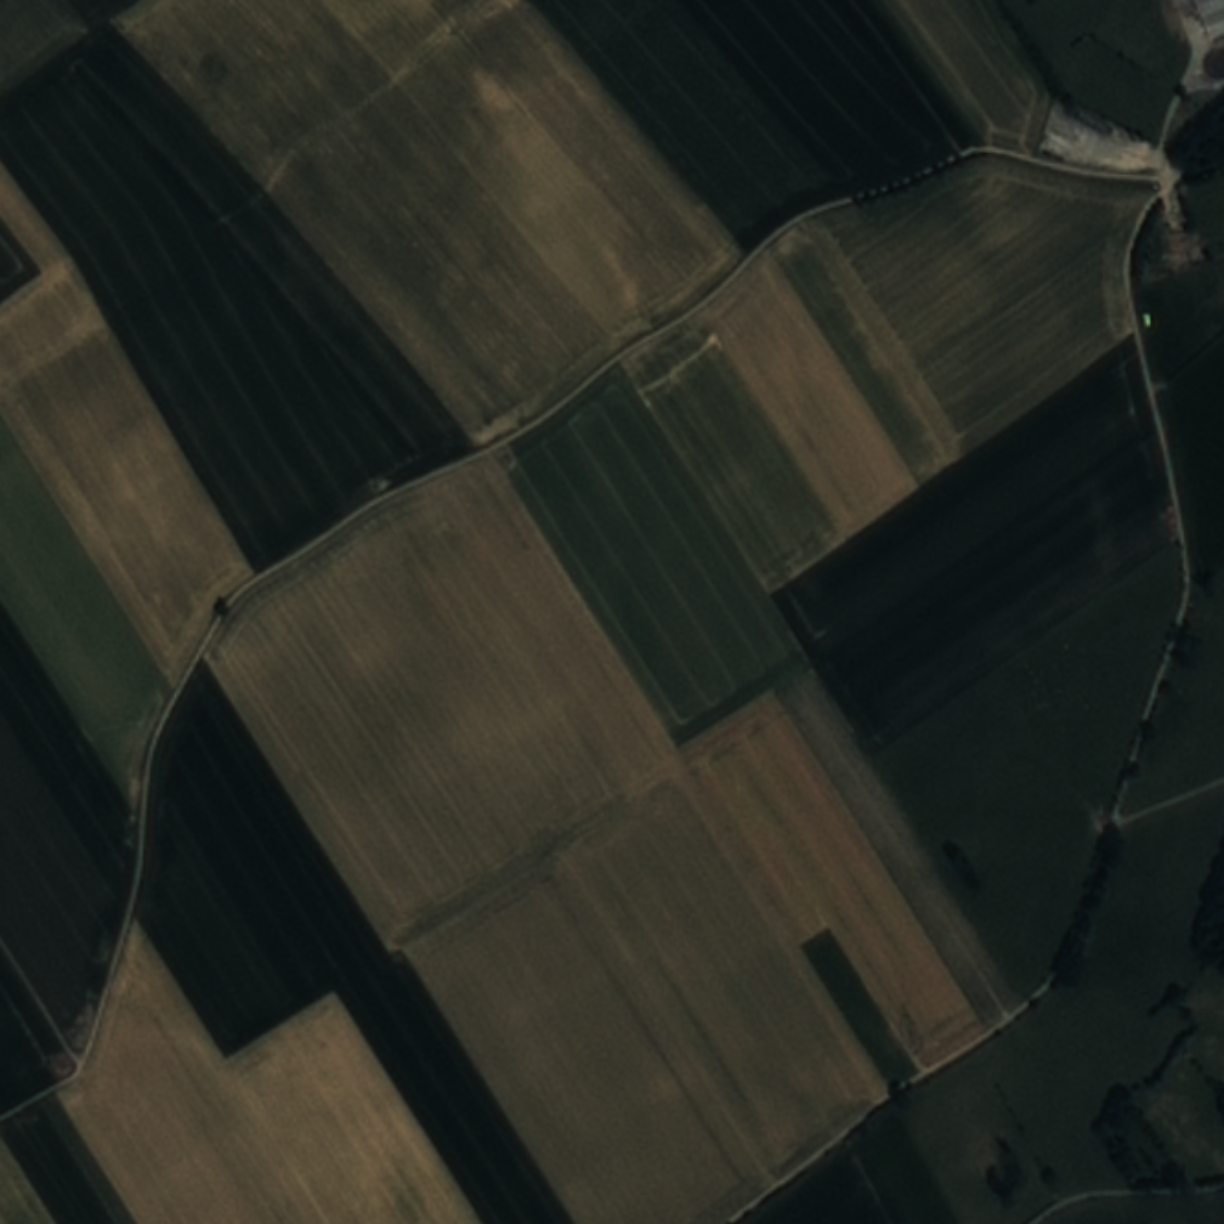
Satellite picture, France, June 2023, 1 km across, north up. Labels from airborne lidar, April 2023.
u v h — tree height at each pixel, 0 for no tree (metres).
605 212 0
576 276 0
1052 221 0
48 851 0
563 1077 0
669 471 0
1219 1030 0
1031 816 0
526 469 0
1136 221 0
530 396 0
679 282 0
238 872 0
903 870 0
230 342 0
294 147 0
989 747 0
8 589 0
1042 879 0
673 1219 0
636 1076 0
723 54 0
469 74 0
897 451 0
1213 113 15
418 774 0
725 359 0
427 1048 0
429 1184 0
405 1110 0
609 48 0
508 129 0
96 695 0
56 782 0
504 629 0
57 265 0
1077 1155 0
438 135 0
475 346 0
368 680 0
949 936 0
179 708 0
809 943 0
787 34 0
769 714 0
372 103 0
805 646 0
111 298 0
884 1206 0
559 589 0
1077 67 0
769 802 0
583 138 0
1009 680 0
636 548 0
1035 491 0
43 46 0
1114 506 0
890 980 0
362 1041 0
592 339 0
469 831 0
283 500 0
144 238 0
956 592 0
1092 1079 0
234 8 0
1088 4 0
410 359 0
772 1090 0
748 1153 0
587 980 0
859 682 0
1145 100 0
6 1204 0
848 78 0
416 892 0
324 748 0
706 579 0
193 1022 0
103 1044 0
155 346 0
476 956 0
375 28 0
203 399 0
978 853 0
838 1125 0
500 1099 0
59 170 0
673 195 0
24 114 0
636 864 0
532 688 0
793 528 0
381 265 0
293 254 0
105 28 0
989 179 0
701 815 0
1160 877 0
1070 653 0
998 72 0
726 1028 0
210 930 0
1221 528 0
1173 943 0
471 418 0
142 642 0
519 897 0
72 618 0
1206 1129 0
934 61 0
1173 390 0
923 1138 0
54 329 0
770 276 0
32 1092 0
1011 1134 0
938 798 0
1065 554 0
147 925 0
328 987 0
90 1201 0
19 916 0
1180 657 15
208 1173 0
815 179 0
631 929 0
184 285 0
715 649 0
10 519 0
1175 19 0
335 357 0
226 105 0
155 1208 0
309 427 0
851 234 0
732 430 0
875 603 0
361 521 0
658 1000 0
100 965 0
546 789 0
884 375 0
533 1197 0
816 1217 0
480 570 0
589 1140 0
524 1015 0
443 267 0
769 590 0
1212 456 0
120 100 0
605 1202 0
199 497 0
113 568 0
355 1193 0
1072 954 23
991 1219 0
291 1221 0
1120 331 0
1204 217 0
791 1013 0
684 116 0
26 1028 0
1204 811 0
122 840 0
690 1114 0
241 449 0
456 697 0
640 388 0
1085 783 0
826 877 0
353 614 0
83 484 0
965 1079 0
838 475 0
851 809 0
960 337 0
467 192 0
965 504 0
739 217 0
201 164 0
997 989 0
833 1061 0
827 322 0
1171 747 0
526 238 0
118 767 0
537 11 0
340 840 0
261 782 0
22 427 0
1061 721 0
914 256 0
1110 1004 0
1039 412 0
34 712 0
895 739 0
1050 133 0
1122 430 0
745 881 0
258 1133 0
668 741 0
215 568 0
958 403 0
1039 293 0
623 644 0
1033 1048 0
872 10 0
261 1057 0
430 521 0
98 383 0
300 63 0
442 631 0
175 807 0
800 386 0
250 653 0
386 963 0
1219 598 0
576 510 0
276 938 0
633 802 0
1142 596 0
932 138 0
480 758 0
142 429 0
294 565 0
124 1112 0
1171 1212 0
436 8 0
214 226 0
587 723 0
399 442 0
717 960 0
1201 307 0
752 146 0
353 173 0
